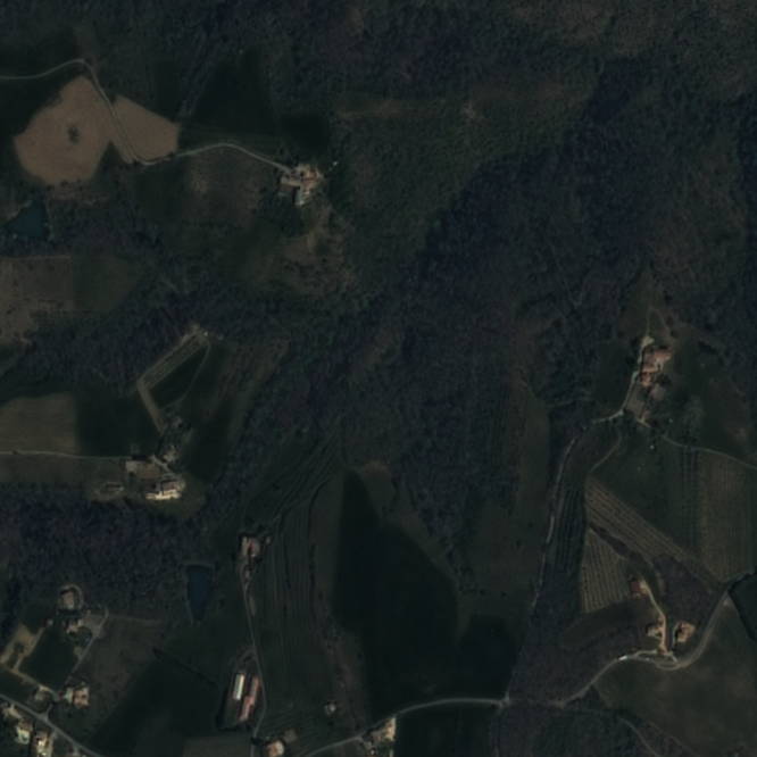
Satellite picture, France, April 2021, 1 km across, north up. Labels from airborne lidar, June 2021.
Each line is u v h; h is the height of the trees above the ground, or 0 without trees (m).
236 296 23
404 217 9
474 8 24
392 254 18
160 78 0
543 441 0
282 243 0
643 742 7
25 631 0
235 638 0
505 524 0
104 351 26
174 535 23
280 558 0
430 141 6
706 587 12
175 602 10
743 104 8
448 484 13
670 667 0
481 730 0
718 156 11
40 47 0
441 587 0
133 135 0
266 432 23
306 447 0
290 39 15
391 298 23
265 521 0
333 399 15
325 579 0
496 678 0
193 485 0
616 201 16
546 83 13
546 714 8
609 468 0
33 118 0
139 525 17
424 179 13
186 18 12
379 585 0
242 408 0
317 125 0
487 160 18
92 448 0
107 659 0
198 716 0
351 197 10
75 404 0
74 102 0
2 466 0
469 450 9
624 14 6
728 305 11
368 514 0
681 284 9
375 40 17
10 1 20
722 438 0
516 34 8
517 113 9
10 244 13
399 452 10
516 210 18
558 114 9
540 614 9
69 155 0
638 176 14
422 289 16
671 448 0
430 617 0
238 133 0
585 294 9
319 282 9
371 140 12
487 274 20
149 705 0
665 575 11
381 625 0
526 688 9
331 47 12
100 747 0
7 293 0
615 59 9
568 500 0
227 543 0
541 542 0
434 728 0
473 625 0
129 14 7
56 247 13
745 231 17
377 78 15
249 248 0
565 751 9
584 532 7
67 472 0
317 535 0
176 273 28
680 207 17
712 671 0
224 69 0
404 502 0
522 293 19
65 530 19
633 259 13
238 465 22
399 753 0
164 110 0
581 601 8
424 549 0
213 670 0
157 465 6
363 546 0
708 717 0
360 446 12
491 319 13
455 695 0
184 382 0
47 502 21
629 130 15
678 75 8
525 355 10
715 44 5
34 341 12
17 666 0
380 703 0
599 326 7
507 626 0
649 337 0
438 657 0
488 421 11
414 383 26
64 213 17
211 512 20
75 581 10
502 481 7
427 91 12
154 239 16
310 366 20
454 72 13
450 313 16
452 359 15
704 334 0
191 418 0
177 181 0
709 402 0
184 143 0
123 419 0
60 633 0
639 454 0
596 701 13
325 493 0
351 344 14
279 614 0
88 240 18
